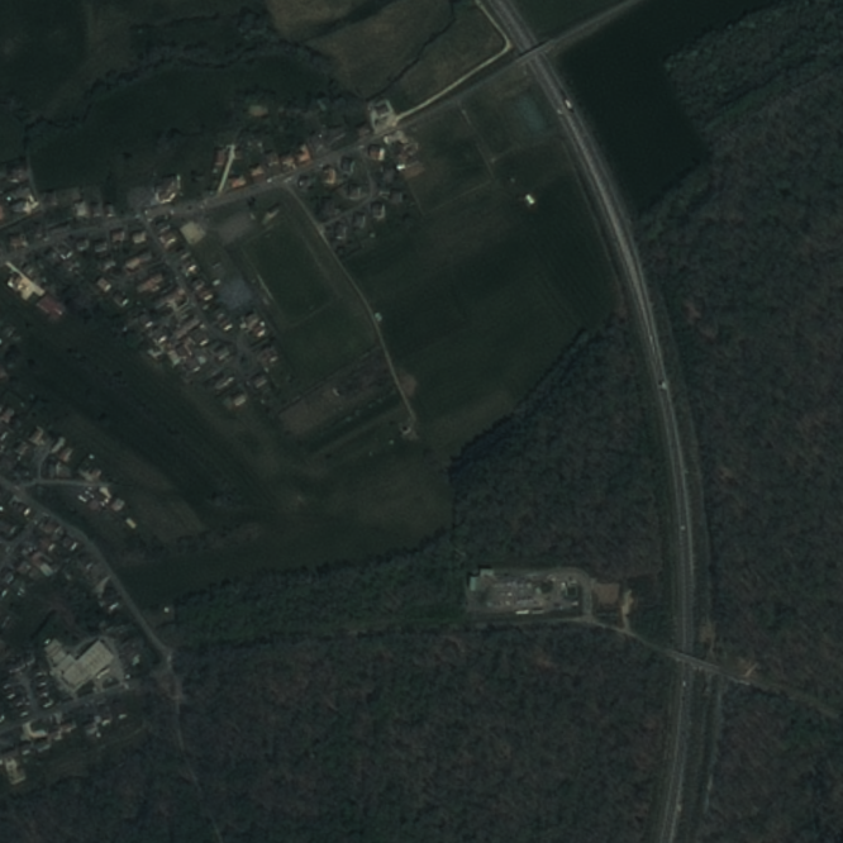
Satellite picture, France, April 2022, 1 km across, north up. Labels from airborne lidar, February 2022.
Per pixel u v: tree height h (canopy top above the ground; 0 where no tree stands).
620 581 25
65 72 0
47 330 0
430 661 28
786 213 26
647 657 22
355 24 0
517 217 0
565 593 0
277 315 0
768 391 29
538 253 0
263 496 0
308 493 0
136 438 0
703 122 14
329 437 0
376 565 19
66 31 0
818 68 19
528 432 19
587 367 22
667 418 0
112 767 0
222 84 0
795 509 27
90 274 0
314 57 6
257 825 0
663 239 12
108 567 0
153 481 0
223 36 0
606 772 29
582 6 0
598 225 0
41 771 0
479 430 0
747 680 0
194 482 0
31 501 0
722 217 29
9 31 0
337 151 0
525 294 0
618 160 0
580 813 26
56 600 0
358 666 26
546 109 0
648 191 0
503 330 0
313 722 23
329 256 0
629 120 0
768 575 30
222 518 0
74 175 0
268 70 0
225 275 0
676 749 0
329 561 0
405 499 0
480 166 0
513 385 0
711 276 28
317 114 13
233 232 0
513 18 0
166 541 0
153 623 0
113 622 9
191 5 0
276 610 17
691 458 0
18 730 0
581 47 0
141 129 0
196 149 0
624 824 23
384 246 0
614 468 26
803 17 14
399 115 0
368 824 23
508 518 24
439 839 24
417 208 0
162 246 0
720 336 28
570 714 27
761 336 29
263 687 23
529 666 19
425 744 26
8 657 0
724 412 25
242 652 20
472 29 0
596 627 0
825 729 21
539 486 26
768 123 21
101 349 0
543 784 21
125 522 0
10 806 0
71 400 0
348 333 0
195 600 17
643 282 0
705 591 0
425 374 0
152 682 13
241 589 15
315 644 24
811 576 26
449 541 22
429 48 0
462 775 24
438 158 0
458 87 0
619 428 29
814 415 30
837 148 28
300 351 0
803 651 28
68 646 0
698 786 0
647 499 24
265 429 0
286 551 0
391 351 0
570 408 15
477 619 0
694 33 0
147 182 0
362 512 0
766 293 27
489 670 25
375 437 0
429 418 0
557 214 0
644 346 0
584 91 0
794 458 29
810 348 26
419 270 0
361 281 0
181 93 0
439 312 0
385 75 0
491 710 27
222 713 25
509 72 0
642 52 0
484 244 0
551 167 0
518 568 0
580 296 0
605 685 26
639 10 0
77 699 0
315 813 26
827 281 31
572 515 26
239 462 0
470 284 0
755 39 14
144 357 0
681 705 0
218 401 0
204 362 0
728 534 27
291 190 0
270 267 0
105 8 0
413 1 0
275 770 25
